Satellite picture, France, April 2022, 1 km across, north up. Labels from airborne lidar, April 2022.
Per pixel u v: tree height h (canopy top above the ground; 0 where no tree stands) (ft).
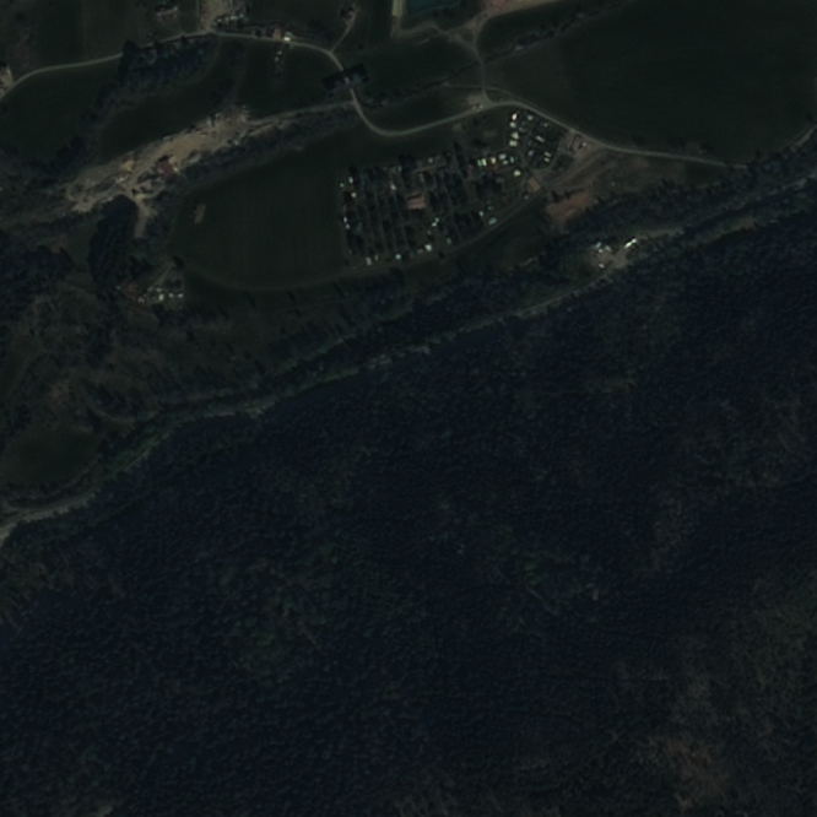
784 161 57
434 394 68
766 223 50
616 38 0
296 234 0
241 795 90
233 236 0
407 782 85
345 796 93
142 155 0
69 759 119
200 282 0
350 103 0
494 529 72
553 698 63
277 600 77
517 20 0
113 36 0
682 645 70
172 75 60
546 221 63
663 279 62
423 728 100
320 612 69
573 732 69
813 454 61
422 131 0
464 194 71
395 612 77
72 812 104
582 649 98
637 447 75
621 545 65
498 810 72
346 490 70
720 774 78
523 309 43
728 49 0
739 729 75
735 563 81
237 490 125
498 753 76
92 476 24
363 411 64
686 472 78
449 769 98
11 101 0
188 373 78
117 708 105
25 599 96
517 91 0
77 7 0
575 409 75
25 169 80
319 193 0
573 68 0
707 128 0
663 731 59
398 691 101
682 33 0
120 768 90
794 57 0
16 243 94
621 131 0
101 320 20
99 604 96
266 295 0
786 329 68
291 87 0
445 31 0
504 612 70
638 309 37
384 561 83
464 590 64
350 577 94
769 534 65
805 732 142
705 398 79
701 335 51
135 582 103
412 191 40
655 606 88
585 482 74
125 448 85
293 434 70
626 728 93
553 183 0
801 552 60
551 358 67
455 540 54
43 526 27
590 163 0
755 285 56
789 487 69
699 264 71
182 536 94
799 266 49
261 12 0
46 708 108
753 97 0
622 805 105
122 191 0
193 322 95
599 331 56
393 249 46
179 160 0
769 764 95
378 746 109
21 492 23
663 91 0
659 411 60
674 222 36
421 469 75
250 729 99
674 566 76
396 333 61
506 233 0
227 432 60
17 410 37
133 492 62
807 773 103
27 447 0
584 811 36
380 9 0
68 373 26
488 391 51
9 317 70
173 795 103
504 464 81
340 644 107
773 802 84
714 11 0
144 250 34
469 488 70
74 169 70
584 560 69
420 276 0
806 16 0
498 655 77
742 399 77
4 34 0
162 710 100
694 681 45
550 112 0
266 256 0
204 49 52
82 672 81
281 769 95
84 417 40
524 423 51
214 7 0
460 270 0
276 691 97
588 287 0
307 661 89
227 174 58
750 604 69
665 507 99
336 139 0
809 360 65
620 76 0
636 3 0
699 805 31
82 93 0
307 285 0
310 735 99
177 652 97
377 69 0
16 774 105
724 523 88
